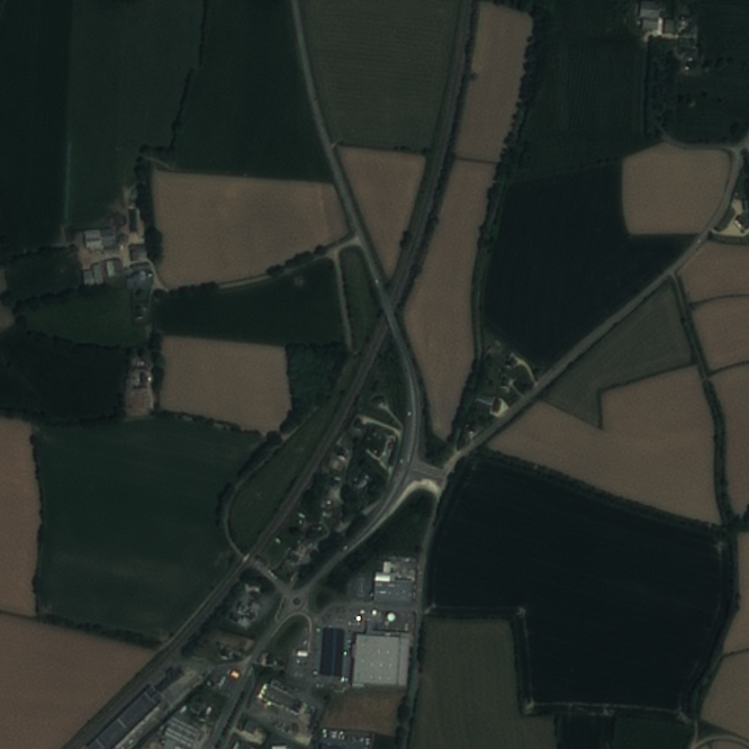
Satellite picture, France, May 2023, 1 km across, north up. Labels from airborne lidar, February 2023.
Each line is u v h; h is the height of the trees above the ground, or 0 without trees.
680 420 0
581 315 0
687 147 0
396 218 0
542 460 0
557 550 0
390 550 0
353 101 0
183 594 0
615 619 0
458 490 0
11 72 0
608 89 0
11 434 0
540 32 16
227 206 0
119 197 0
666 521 7
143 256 0
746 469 0
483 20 0
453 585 0
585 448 0
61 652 0
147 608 0
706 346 0
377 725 0
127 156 0
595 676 0
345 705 0
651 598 0
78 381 0
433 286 0
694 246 0
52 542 0
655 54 14
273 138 0
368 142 0
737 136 13
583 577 0
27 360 0
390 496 0
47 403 0
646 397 0
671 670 0
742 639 0
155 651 0
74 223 0
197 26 0
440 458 12
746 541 0
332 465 0
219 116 0
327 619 0
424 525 0
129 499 0
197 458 0
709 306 0
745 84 0
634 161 0
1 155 0
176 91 0
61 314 0
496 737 0
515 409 0
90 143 0
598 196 0
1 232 12
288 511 0
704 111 0
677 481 0
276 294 0
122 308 0
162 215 0
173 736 0
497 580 0
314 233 0
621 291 0
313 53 0
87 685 0
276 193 0
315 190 0
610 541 0
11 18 0
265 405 0
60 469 0
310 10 0
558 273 0
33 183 0
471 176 0
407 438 0
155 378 10
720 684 0
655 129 15
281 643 0
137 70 0
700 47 13
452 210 0
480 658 0
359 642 0
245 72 0
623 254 0
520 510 0
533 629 0
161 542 0
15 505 0
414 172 0
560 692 0
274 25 0
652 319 0
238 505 0
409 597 0
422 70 0
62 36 0
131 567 0
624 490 0
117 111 0
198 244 0
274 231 0
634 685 0
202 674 0
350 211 0
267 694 0
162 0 0
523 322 0
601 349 0
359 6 0
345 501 13
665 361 0
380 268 0
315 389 24
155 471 0
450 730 0
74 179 0
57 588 0
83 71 0
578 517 0
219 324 0
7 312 0
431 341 0
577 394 0
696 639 0
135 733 0
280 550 0
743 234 0
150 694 0
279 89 0
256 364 0
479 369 10
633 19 0
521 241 0
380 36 0
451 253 0
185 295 13
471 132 0
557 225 0
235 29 0
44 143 0
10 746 0
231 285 0
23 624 0
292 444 0
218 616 8
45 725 0
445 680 0
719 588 0
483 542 0
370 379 0
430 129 0
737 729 0
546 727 0
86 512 0
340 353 18
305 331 0
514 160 12
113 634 7
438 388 0
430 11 0
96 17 0
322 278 0
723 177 0
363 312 0
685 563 0
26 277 0
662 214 0
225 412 0
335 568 0
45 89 0
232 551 0
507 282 0
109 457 0
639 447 0
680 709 0
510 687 0
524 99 12
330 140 0
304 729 0
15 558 0
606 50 0
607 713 0
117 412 9
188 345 0
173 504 0
